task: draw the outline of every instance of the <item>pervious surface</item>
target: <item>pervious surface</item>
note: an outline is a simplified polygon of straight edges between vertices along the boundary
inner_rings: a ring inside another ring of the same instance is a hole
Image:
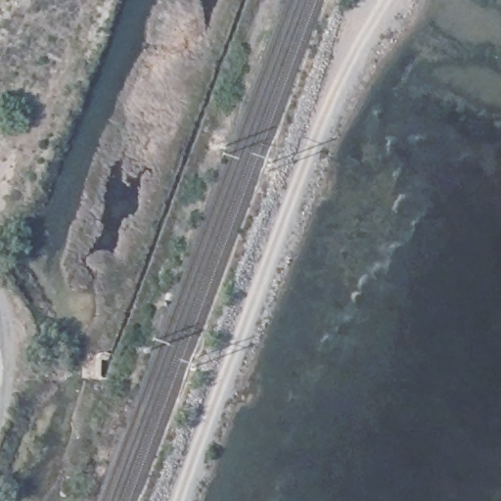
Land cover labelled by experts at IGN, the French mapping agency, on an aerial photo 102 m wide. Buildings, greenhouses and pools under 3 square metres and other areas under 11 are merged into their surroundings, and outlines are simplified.
[[[108,37],[108,20],[112,18],[117,0],[104,0],[104,4],[98,8],[98,20],[88,29],[90,41],[96,41],[98,45],[104,43]]]
[[[290,274],[290,260],[297,256],[297,247],[307,231],[313,207],[331,198],[333,186],[337,182],[337,166],[331,160],[337,157],[342,137],[348,131],[348,125],[352,123],[360,104],[364,102],[376,72],[386,67],[387,55],[405,41],[405,37],[423,18],[427,0],[282,0],[278,23],[272,29],[272,37],[266,45],[262,67],[252,86],[245,114],[241,119],[233,121],[233,139],[221,151],[221,160],[213,170],[215,188],[209,204],[205,205],[204,211],[200,211],[200,229],[194,235],[192,250],[186,254],[186,268],[178,272],[178,290],[166,301],[172,307],[172,311],[160,323],[164,327],[164,333],[160,333],[159,337],[151,337],[155,344],[145,354],[145,368],[139,374],[137,384],[131,382],[127,397],[119,401],[119,425],[125,431],[125,436],[117,452],[114,466],[100,476],[102,489],[98,497],[92,501],[143,501],[145,489],[149,485],[147,474],[162,444],[170,444],[172,452],[164,460],[151,501],[204,501],[209,479],[215,472],[213,454],[207,450],[209,444],[223,446],[227,434],[233,429],[235,413],[243,407],[249,407],[252,401],[256,401],[262,395],[262,378],[260,372],[254,368],[256,356],[262,350],[260,335],[266,331],[266,325],[276,309],[274,297],[284,292],[286,278]],[[317,55],[313,59],[307,51],[307,43],[311,39],[315,23],[319,22],[319,12],[327,14],[329,22],[323,31]],[[307,80],[303,94],[297,100],[294,121],[290,125],[286,123],[286,115],[282,112],[294,88],[297,68],[307,72]],[[250,215],[254,221],[247,233],[245,254],[241,256],[235,272],[235,288],[243,290],[247,297],[237,305],[227,305],[225,284],[235,256],[231,247],[235,243],[235,237],[239,235],[243,215]],[[205,344],[209,341],[209,331],[231,333],[229,346],[225,350],[215,350],[209,344]],[[217,374],[213,386],[194,389],[194,374],[205,370]],[[182,403],[204,405],[204,415],[196,429],[178,427],[176,419],[182,409]]]
[[[6,196],[12,192],[12,178],[16,172],[18,155],[6,141],[6,135],[0,133],[0,213],[6,207]]]
[[[22,391],[29,380],[31,362],[27,362],[25,358],[25,348],[29,337],[35,335],[35,323],[22,297],[18,296],[16,288],[4,290],[0,286],[0,429],[6,427],[10,419],[10,405],[16,401],[16,393]]]

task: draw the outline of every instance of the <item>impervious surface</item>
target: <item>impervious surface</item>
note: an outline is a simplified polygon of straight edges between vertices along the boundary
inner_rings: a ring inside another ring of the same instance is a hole
[[[100,380],[102,360],[108,358],[108,352],[88,354],[82,368],[82,374],[84,378]]]

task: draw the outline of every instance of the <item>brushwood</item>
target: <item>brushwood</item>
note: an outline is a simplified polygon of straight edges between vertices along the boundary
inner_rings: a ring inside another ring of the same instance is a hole
[[[33,127],[29,133],[6,135],[6,141],[18,155],[16,172],[12,178],[12,192],[6,196],[6,207],[0,213],[0,286],[4,290],[16,288],[18,296],[22,297],[35,323],[45,325],[45,337],[49,337],[49,329],[53,325],[57,327],[61,319],[49,317],[39,309],[41,301],[51,303],[51,297],[45,294],[45,288],[41,286],[39,278],[29,268],[29,262],[33,262],[29,254],[31,229],[25,223],[27,217],[22,213],[27,211],[33,200],[41,200],[45,196],[41,184],[49,160],[53,157],[59,159],[63,151],[67,151],[70,125],[68,112],[80,112],[82,96],[88,88],[88,76],[98,67],[104,43],[98,45],[96,41],[90,41],[88,29],[98,20],[98,8],[104,4],[104,0],[86,0],[84,6],[78,8],[76,18],[68,27],[53,25],[49,31],[51,35],[57,35],[57,39],[63,43],[65,53],[51,53],[49,57],[37,59],[37,65],[51,67],[47,94],[39,100],[43,104],[43,117],[39,125]]]
[[[204,405],[182,403],[182,409],[176,419],[178,427],[196,429],[204,415]]]
[[[225,350],[229,346],[231,333],[209,331],[209,341],[205,344],[209,344],[215,350]]]
[[[0,0],[0,43],[8,37],[8,31],[2,29],[2,22],[16,12],[16,8],[31,6],[33,0]]]
[[[194,389],[213,386],[217,374],[205,370],[194,374]]]
[[[235,288],[235,272],[241,256],[245,254],[247,233],[254,221],[250,215],[243,215],[239,235],[235,237],[235,243],[231,247],[235,256],[225,284],[227,305],[237,305],[247,297],[243,290]]]
[[[31,421],[31,415],[35,413],[35,401],[27,399],[22,391],[16,393],[16,401],[10,405],[10,419],[6,427],[0,429],[0,501],[25,501],[37,493],[41,485],[20,472],[14,470],[14,462],[20,452],[23,434],[35,431],[37,423]]]

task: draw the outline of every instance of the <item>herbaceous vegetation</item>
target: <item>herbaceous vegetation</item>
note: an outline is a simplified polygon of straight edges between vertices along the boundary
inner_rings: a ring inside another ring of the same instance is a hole
[[[31,362],[29,380],[65,382],[68,378],[78,378],[82,374],[82,368],[59,370],[57,366],[47,366],[43,362],[45,348],[39,344],[45,337],[45,325],[35,323],[35,335],[29,337],[25,348],[25,358],[27,362]]]
[[[319,12],[319,22],[315,23],[311,39],[307,43],[307,51],[313,59],[317,55],[323,31],[329,22],[327,14]]]
[[[303,94],[307,80],[307,72],[297,68],[294,88],[282,112],[286,115],[286,123],[290,125],[294,121],[297,100]]]
[[[33,0],[31,6],[16,8],[16,12],[2,22],[2,29],[8,31],[8,37],[0,43],[0,96],[10,90],[23,90],[37,96],[39,100],[47,94],[51,67],[37,65],[37,59],[49,57],[51,53],[65,53],[63,43],[57,39],[57,35],[51,35],[49,31],[53,25],[68,27],[76,18],[78,8],[84,6],[86,0]]]
[[[23,434],[20,452],[14,462],[14,470],[20,472],[23,464],[27,462],[27,450],[35,444],[33,440],[39,434],[47,431],[51,417],[55,413],[55,407],[47,407],[37,423],[35,431]]]
[[[149,485],[145,489],[143,501],[151,501],[164,460],[172,452],[170,444],[162,444],[147,474]]]
[[[245,114],[252,86],[262,67],[266,45],[272,37],[272,29],[278,23],[282,0],[157,0],[145,25],[143,51],[137,57],[131,72],[127,74],[123,90],[119,92],[115,102],[114,114],[100,135],[98,149],[84,178],[80,205],[76,209],[72,223],[68,225],[67,241],[61,250],[59,262],[53,266],[49,274],[39,278],[41,286],[45,288],[45,294],[51,297],[51,303],[41,301],[39,309],[49,317],[61,319],[72,317],[68,309],[68,297],[88,294],[90,315],[80,323],[82,333],[90,339],[88,354],[108,352],[108,358],[102,360],[100,380],[84,378],[82,387],[78,389],[78,399],[72,407],[72,433],[63,456],[65,476],[59,478],[65,489],[59,493],[61,501],[92,501],[98,497],[102,489],[100,476],[114,466],[117,452],[125,436],[125,431],[119,425],[119,401],[127,397],[131,382],[137,384],[139,374],[145,368],[145,354],[155,344],[151,337],[159,337],[160,333],[164,333],[164,327],[160,323],[172,311],[172,307],[166,301],[178,290],[178,272],[186,268],[186,254],[192,250],[194,235],[200,229],[200,211],[204,211],[205,205],[209,204],[215,188],[213,170],[221,160],[221,151],[233,139],[233,121],[241,119]],[[121,182],[125,186],[129,184],[129,178],[137,176],[141,166],[151,166],[151,172],[141,176],[137,209],[121,221],[115,249],[98,250],[92,254],[90,249],[102,233],[106,182],[110,178],[110,170],[115,160],[121,162]]]

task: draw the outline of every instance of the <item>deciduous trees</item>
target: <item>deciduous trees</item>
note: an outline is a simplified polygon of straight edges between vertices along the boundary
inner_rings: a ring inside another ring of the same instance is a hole
[[[39,100],[37,96],[23,90],[10,90],[0,96],[0,133],[6,135],[29,133],[33,127],[39,125],[43,117],[43,104]]]
[[[39,344],[45,348],[43,362],[47,366],[57,366],[59,370],[82,368],[88,354],[90,339],[82,333],[80,323],[72,317],[61,319],[57,327],[53,325],[49,329],[49,337],[45,337]]]

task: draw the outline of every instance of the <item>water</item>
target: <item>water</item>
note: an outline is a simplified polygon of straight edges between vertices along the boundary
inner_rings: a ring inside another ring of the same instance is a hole
[[[243,407],[235,413],[233,429],[227,434],[223,446],[209,444],[207,450],[213,454],[215,472],[209,479],[204,501],[501,501],[501,0],[427,0],[423,18],[405,37],[405,41],[387,55],[386,67],[376,72],[364,102],[360,104],[352,123],[348,125],[348,131],[342,137],[337,157],[331,160],[337,166],[337,182],[333,186],[331,198],[313,207],[307,231],[297,247],[297,256],[290,260],[290,274],[286,278],[284,292],[274,297],[276,309],[266,325],[266,331],[260,335],[262,350],[256,356],[254,368],[260,372],[262,378],[262,395],[256,401],[252,401],[249,407]]]
[[[31,421],[37,423],[47,407],[55,407],[55,413],[51,417],[47,431],[39,434],[33,440],[35,444],[27,450],[27,462],[23,464],[20,472],[41,485],[37,493],[25,501],[61,501],[59,493],[65,489],[59,478],[65,476],[63,456],[72,433],[72,407],[78,399],[78,389],[82,387],[84,378],[82,374],[78,378],[68,378],[65,382],[29,380],[22,391],[27,399],[35,401],[35,413],[31,415]]]
[[[98,149],[100,135],[114,114],[115,102],[119,92],[123,90],[127,74],[131,72],[137,57],[143,51],[145,25],[157,0],[117,0],[112,18],[108,20],[108,37],[104,43],[98,67],[88,76],[88,88],[82,96],[80,112],[68,112],[70,125],[67,151],[63,151],[59,159],[53,157],[49,160],[41,184],[45,196],[41,200],[33,200],[27,211],[22,213],[27,217],[25,223],[31,229],[29,254],[33,262],[29,262],[29,268],[39,278],[49,274],[53,266],[59,262],[61,250],[67,241],[68,225],[72,223],[76,209],[80,205],[84,178]]]
[[[68,297],[68,309],[72,317],[80,323],[90,315],[88,294]]]
[[[110,178],[106,182],[102,233],[90,249],[92,254],[98,250],[115,249],[121,221],[137,209],[141,176],[151,172],[151,166],[141,166],[137,176],[129,178],[129,184],[125,186],[121,182],[121,162],[115,160],[110,170]]]

